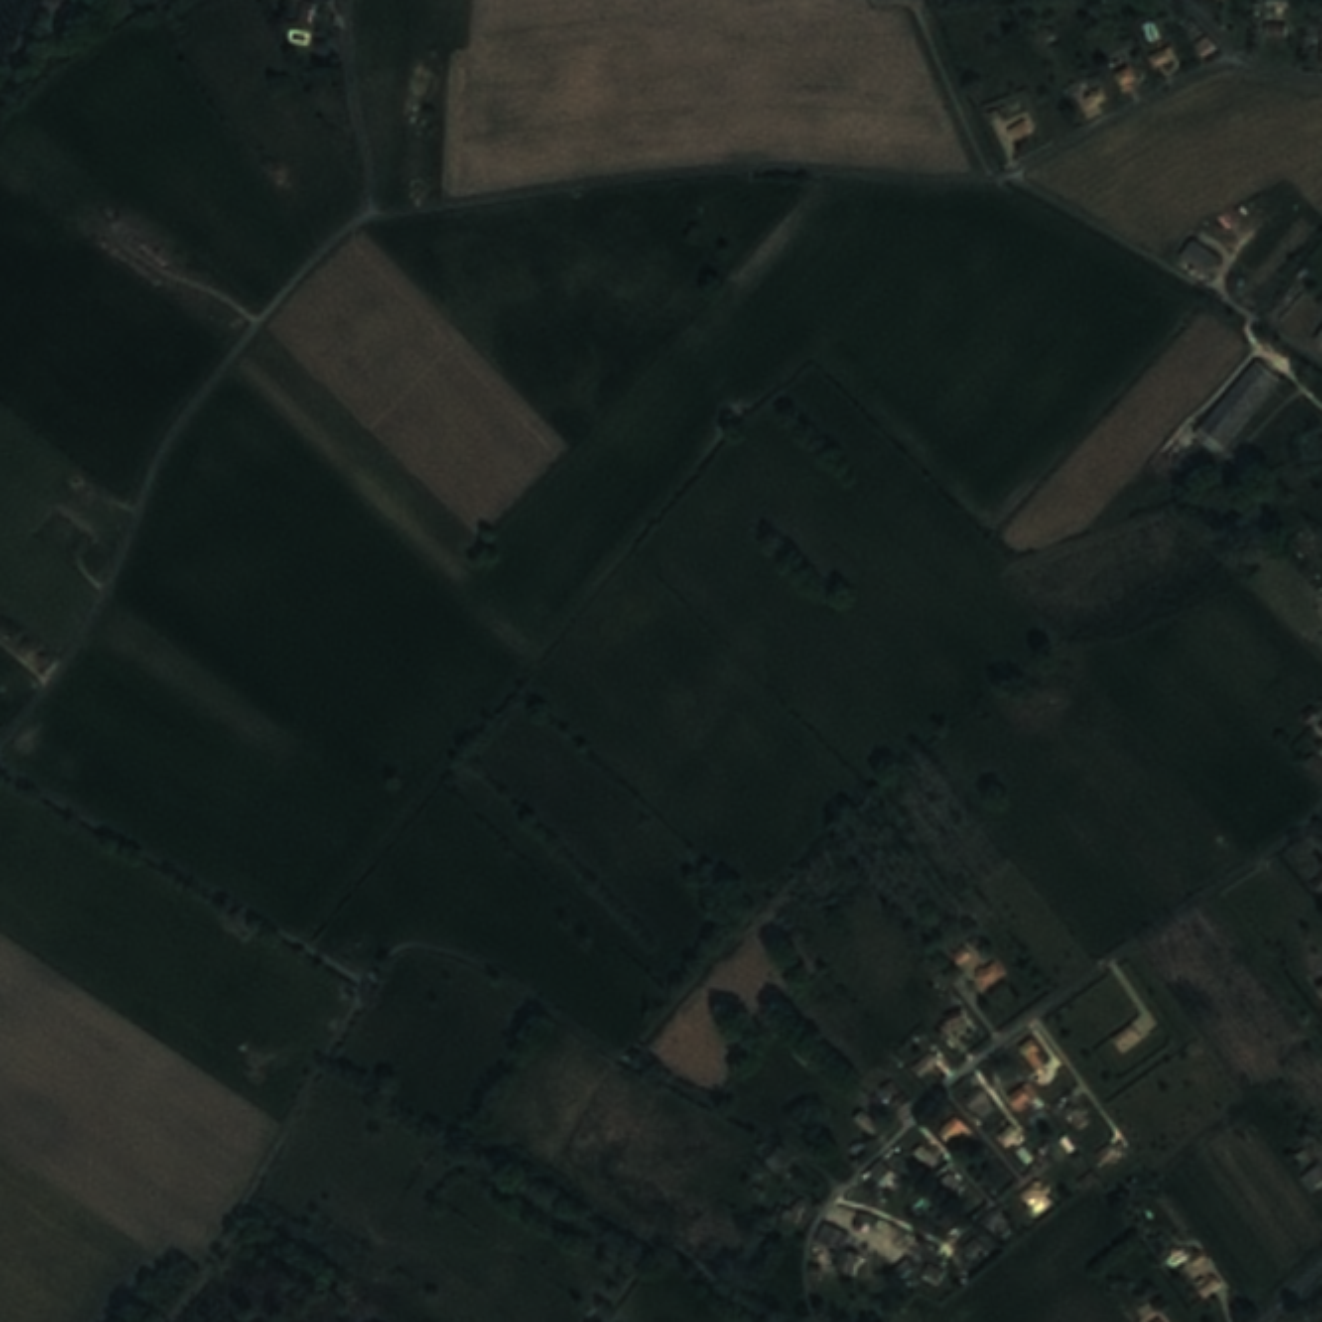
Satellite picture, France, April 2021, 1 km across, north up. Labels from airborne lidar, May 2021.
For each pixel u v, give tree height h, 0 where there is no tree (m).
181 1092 0
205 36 0
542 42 0
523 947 0
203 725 0
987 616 0
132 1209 0
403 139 0
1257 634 0
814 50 0
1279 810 0
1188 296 0
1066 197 0
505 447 0
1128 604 0
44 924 0
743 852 0
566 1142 0
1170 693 0
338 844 0
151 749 0
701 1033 0
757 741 0
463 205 0
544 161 0
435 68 0
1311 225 0
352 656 0
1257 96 0
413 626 0
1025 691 17
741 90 0
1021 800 0
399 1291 0
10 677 0
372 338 0
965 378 0
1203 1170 0
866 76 0
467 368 0
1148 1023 0
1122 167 0
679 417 0
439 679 0
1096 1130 0
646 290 0
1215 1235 0
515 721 0
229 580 0
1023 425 0
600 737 0
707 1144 0
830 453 17
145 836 0
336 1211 0
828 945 0
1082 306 0
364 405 0
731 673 0
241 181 0
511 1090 14
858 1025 0
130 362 0
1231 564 23
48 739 0
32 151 0
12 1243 0
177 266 0
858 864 12
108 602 0
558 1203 13
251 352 0
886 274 0
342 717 0
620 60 0
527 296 0
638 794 6
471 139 0
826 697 0
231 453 0
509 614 0
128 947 0
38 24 13
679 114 0
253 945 0
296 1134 0
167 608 0
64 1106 0
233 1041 0
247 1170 0
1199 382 0
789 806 0
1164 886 0
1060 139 0
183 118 0
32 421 0
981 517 0
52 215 0
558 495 0
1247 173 0
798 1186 12
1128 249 0
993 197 0
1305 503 0
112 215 0
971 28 0
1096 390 0
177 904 0
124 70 0
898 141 0
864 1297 10
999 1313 0
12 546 0
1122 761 0
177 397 0
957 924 11
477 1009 0
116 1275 0
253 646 0
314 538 0
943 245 0
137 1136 0
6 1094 0
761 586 0
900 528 0
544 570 0
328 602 0
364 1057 0
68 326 0
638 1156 0
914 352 0
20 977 0
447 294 0
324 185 0
